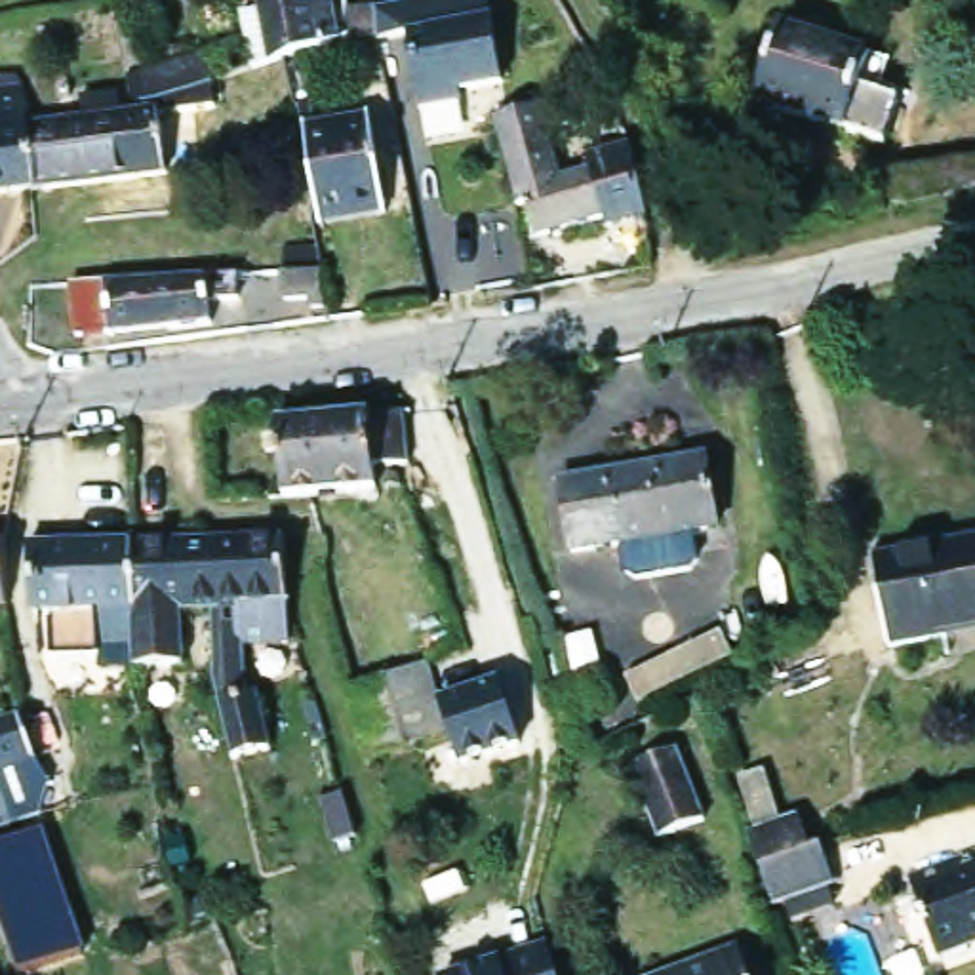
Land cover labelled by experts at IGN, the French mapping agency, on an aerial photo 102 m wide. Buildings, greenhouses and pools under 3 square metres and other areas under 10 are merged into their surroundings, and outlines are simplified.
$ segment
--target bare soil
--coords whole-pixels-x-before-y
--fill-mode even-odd
[[[0,720],[8,716],[8,705],[27,701],[30,693],[30,670],[11,598],[0,598]]]

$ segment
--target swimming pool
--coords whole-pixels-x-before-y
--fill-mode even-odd
[[[884,960],[872,956],[872,945],[857,933],[842,937],[842,964],[842,975],[887,975]]]

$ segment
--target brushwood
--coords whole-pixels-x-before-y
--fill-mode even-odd
[[[876,38],[891,34],[895,8],[887,0],[846,0],[842,15],[849,23]]]
[[[499,366],[453,369],[446,377],[446,419],[461,427],[461,438],[468,446],[468,468],[480,495],[480,510],[526,644],[522,659],[533,678],[533,708],[541,705],[541,697],[560,682],[556,674],[571,667],[567,640],[548,625],[541,594],[526,567],[499,488],[503,461],[533,457],[541,434],[552,434],[560,442],[564,430],[571,434],[590,415],[594,392],[617,373],[617,354],[598,358],[594,347],[583,347],[556,350],[548,366],[503,358]]]
[[[560,259],[537,248],[514,274],[514,286],[556,282]]]
[[[689,918],[693,910],[727,891],[727,876],[720,872],[716,857],[708,853],[697,830],[655,834],[644,819],[636,819],[625,815],[598,838],[590,853],[590,872],[609,876],[617,884],[617,895],[636,884],[647,891],[667,891],[670,910],[678,918]]]
[[[366,884],[377,895],[377,914],[385,914],[396,906],[388,884],[388,853],[373,849],[366,865]]]
[[[320,293],[328,312],[339,312],[347,282],[339,255],[328,251],[312,267],[320,274]]]
[[[834,807],[823,819],[842,842],[906,830],[933,815],[975,807],[975,785],[948,792],[918,792],[887,804],[857,800],[849,807]]]
[[[758,937],[769,945],[777,975],[842,975],[842,964],[823,964],[807,948],[792,952],[785,925],[769,914]]]
[[[465,868],[472,868],[476,876],[518,872],[522,853],[518,830],[510,823],[484,823],[461,792],[438,785],[411,811],[396,811],[392,826],[396,834],[411,834],[423,857],[442,872],[461,876]]]
[[[259,430],[270,427],[274,415],[259,400],[206,400],[194,411],[202,484],[217,499],[259,495],[255,484],[217,480],[213,446],[217,430]]]
[[[556,945],[567,948],[575,975],[613,975],[602,952],[602,933],[590,925],[598,903],[583,891],[579,872],[564,872],[564,887],[556,895],[556,914],[548,918],[548,929]]]
[[[156,712],[149,727],[126,727],[122,739],[133,746],[160,743],[156,792],[168,800],[183,800],[187,788],[179,785],[175,769],[175,743],[164,724],[164,712]]]
[[[392,933],[388,925],[381,925],[381,945],[396,975],[430,975],[438,941],[430,933]]]
[[[891,194],[945,194],[952,202],[960,190],[975,190],[975,156],[891,164],[891,187],[880,190],[872,183],[872,171],[865,171],[861,164],[842,164],[830,171],[815,202],[815,213],[796,221],[800,240],[792,248],[800,248],[800,255],[815,255],[826,248],[846,248],[880,236],[876,229],[887,221],[884,202]]]
[[[175,865],[160,868],[152,880],[141,880],[141,887],[168,884],[168,895],[149,914],[122,918],[122,925],[114,929],[118,952],[141,952],[152,941],[198,933],[213,922],[221,929],[236,929],[236,922],[251,918],[263,906],[263,880],[251,872],[251,865],[206,865],[198,872],[175,872]]]
[[[404,468],[385,465],[385,457],[369,453],[373,480],[396,480],[396,491],[408,491],[404,499],[411,503],[411,522],[423,537],[423,567],[427,579],[438,587],[434,617],[442,628],[442,636],[423,651],[396,651],[362,663],[347,628],[339,571],[335,564],[324,564],[331,625],[339,636],[347,674],[385,678],[388,670],[419,659],[430,663],[446,663],[453,651],[472,644],[468,606],[476,606],[476,594],[465,564],[449,560],[446,552],[442,552],[442,529],[434,526],[430,510],[423,507],[419,488],[408,480]]]
[[[865,716],[876,724],[922,727],[925,712],[903,708],[891,701],[891,693],[880,689],[868,697],[865,708]]]
[[[556,750],[552,758],[556,804],[567,804],[579,792],[583,762],[571,762]]]
[[[400,320],[411,308],[427,308],[423,297],[373,301],[362,312],[369,324]]]
[[[126,415],[114,419],[114,427],[88,430],[76,446],[122,446],[126,476],[145,468],[145,423],[141,415]]]
[[[80,34],[72,19],[88,8],[91,0],[0,0],[0,34],[19,23],[46,23],[46,30],[27,46],[19,65],[23,72],[30,72],[30,80],[61,80],[61,69],[80,50]]]
[[[225,80],[229,69],[248,61],[248,38],[240,30],[194,34],[183,27],[183,19],[164,19],[160,57],[202,57],[209,76]]]
[[[857,590],[849,583],[849,556],[846,522],[838,510],[830,510],[826,499],[815,495],[815,465],[807,453],[807,430],[796,404],[796,388],[788,381],[781,331],[781,324],[769,316],[674,328],[678,339],[644,343],[644,381],[659,385],[670,366],[682,373],[693,369],[697,381],[716,388],[724,381],[735,381],[758,396],[754,415],[766,453],[762,480],[769,484],[773,503],[769,556],[785,571],[785,594],[796,602],[800,617],[819,617],[826,628],[842,613],[842,602]]]

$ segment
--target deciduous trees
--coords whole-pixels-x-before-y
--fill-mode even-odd
[[[255,229],[270,213],[282,213],[301,202],[301,145],[286,149],[274,137],[255,137],[213,164],[190,164],[187,156],[168,175],[168,202],[194,229],[209,232],[225,225]]]
[[[613,697],[606,670],[598,663],[571,667],[556,674],[560,682],[541,697],[541,705],[548,708],[556,750],[571,762],[583,762],[602,762],[598,739],[590,735],[590,720],[613,708]]]
[[[362,61],[347,50],[335,50],[331,42],[293,53],[289,61],[297,65],[305,91],[316,107],[343,107],[362,99],[369,84],[362,76]]]
[[[925,712],[922,727],[922,735],[933,743],[975,739],[975,724],[967,724],[956,712],[945,712],[937,701]]]
[[[952,434],[967,438],[975,453],[975,225],[952,221],[945,213],[941,229],[937,244],[922,255],[906,255],[891,282],[834,286],[819,293],[804,312],[804,328],[807,358],[819,381],[830,388],[834,404],[880,396],[887,404],[918,411],[929,423],[945,423]]]
[[[906,11],[914,15],[922,42],[903,46],[906,88],[929,95],[945,110],[975,99],[975,0],[910,0]]]
[[[701,57],[712,38],[708,19],[686,15],[678,4],[663,0],[606,0],[609,19],[602,23],[602,30],[594,38],[571,42],[560,65],[545,80],[533,80],[537,103],[541,129],[571,156],[587,152],[587,145],[602,133],[625,133],[632,122],[640,126],[647,164],[647,175],[640,179],[644,213],[651,206],[663,206],[674,229],[674,244],[701,263],[735,267],[792,248],[800,240],[796,221],[815,213],[815,202],[830,171],[842,164],[834,145],[838,129],[830,126],[826,110],[807,114],[804,99],[758,84],[758,42],[762,34],[769,34],[769,15],[762,27],[750,27],[735,38],[735,53],[727,57],[724,72],[712,72],[705,80]]]
[[[746,590],[735,636],[735,647],[724,659],[697,667],[686,678],[640,701],[644,720],[651,720],[659,735],[689,731],[697,750],[716,754],[720,777],[739,777],[739,769],[746,769],[750,743],[739,708],[769,689],[773,670],[785,659],[796,659],[800,651],[823,640],[826,628],[819,617],[800,617],[796,602],[785,594],[785,602],[766,602],[762,587]]]
[[[164,19],[164,11],[152,0],[91,0],[88,8],[118,19],[118,30],[133,50],[133,65],[152,65],[160,57]]]

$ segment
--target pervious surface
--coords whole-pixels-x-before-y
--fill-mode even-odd
[[[27,960],[15,952],[15,945],[0,948],[0,975],[53,975],[84,964],[80,948]]]
[[[945,110],[929,95],[906,88],[891,88],[884,141],[933,145],[952,137],[975,137],[975,99]]]
[[[129,72],[133,65],[133,50],[118,30],[118,19],[88,8],[72,19],[80,34],[103,50],[103,61],[114,76]]]
[[[438,941],[430,975],[442,975],[453,952],[484,937],[526,937],[522,914],[495,903],[468,922],[453,922]]]
[[[807,358],[804,328],[781,331],[788,381],[796,388],[796,404],[807,430],[807,453],[815,465],[815,495],[826,499],[834,480],[846,472],[834,404],[830,388],[819,381]]]
[[[887,613],[876,583],[880,541],[868,537],[865,556],[849,556],[849,583],[857,590],[842,602],[842,613],[826,628],[823,640],[834,655],[865,651],[868,674],[880,678],[880,670],[887,670],[895,682],[937,678],[952,670],[967,651],[975,651],[975,625],[948,625],[945,632],[929,632],[918,640],[895,640],[887,632]]]
[[[556,750],[548,708],[541,705],[533,708],[526,731],[514,739],[495,739],[468,750],[449,746],[427,754],[434,762],[438,785],[461,792],[488,785],[495,762],[522,754],[552,758]]]
[[[213,103],[183,103],[175,149],[152,149],[149,168],[65,179],[57,183],[57,190],[91,187],[99,194],[99,206],[84,225],[164,217],[168,202],[168,175],[187,156],[187,145],[221,129],[221,122],[213,118]]]
[[[171,480],[183,491],[194,491],[202,484],[194,411],[187,404],[171,404],[152,411],[145,423],[145,468],[126,476],[126,507],[129,514],[145,514],[149,522],[179,510],[179,503],[168,495]]]
[[[880,884],[884,872],[914,872],[975,846],[975,807],[933,815],[906,830],[842,842],[842,872],[838,899],[857,906]]]

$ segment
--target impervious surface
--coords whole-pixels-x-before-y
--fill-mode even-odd
[[[0,194],[0,251],[23,251],[23,194]]]
[[[316,480],[278,488],[282,499],[373,499],[373,480]]]
[[[887,975],[975,975],[975,937],[952,948],[941,948],[933,941],[925,903],[914,895],[914,872],[884,872],[880,884],[857,906],[838,899],[830,906],[796,914],[788,914],[785,903],[769,903],[769,914],[785,925],[792,952],[807,948],[823,964],[842,964],[842,937],[857,933],[872,945],[872,956],[884,960]]]
[[[270,655],[255,659],[259,674],[274,678],[297,674],[293,636],[286,636]]]
[[[110,289],[99,278],[72,278],[72,289],[61,293],[69,328],[76,335],[69,350],[15,343],[11,335],[0,339],[0,510],[19,514],[27,533],[38,533],[42,522],[84,518],[91,507],[126,507],[126,476],[122,446],[76,446],[88,430],[114,427],[114,419],[126,415],[141,415],[145,423],[152,411],[171,404],[187,404],[194,411],[206,400],[259,400],[274,415],[282,408],[301,404],[362,400],[369,453],[385,457],[385,465],[404,468],[408,480],[419,488],[423,507],[430,510],[430,507],[449,507],[449,514],[453,514],[453,529],[457,529],[457,537],[461,537],[461,552],[465,552],[465,564],[476,594],[476,606],[468,606],[472,644],[453,651],[446,663],[430,663],[430,686],[438,701],[449,689],[453,667],[488,663],[503,655],[522,659],[526,644],[480,510],[480,495],[468,468],[468,446],[461,438],[461,427],[446,419],[446,377],[453,369],[499,366],[503,358],[548,366],[556,350],[583,347],[594,347],[598,358],[617,354],[617,373],[594,392],[590,415],[571,434],[564,430],[560,442],[552,434],[541,434],[533,457],[541,461],[545,495],[556,488],[564,465],[606,465],[628,457],[632,449],[670,446],[705,449],[708,457],[716,514],[701,526],[705,548],[697,548],[697,567],[689,575],[632,583],[632,567],[621,560],[621,548],[567,556],[567,545],[556,556],[541,560],[552,583],[552,590],[541,594],[548,625],[567,640],[571,667],[598,663],[606,670],[613,697],[628,693],[625,670],[659,659],[651,644],[667,640],[682,625],[720,617],[735,636],[746,590],[731,583],[731,575],[739,571],[735,514],[727,510],[735,495],[735,449],[724,434],[716,434],[712,415],[693,400],[682,373],[670,366],[659,385],[644,381],[644,343],[678,339],[674,328],[769,316],[781,324],[781,331],[804,328],[804,312],[819,293],[834,286],[891,282],[906,255],[922,255],[937,244],[941,229],[929,225],[880,236],[846,248],[826,248],[815,255],[800,255],[800,248],[792,248],[735,267],[701,263],[674,244],[674,229],[663,206],[651,206],[644,213],[644,221],[621,217],[587,221],[571,229],[548,225],[529,236],[526,213],[514,202],[507,209],[449,213],[442,206],[438,171],[430,160],[430,149],[442,141],[488,141],[499,133],[495,126],[488,126],[488,110],[503,95],[499,76],[457,80],[442,99],[423,99],[419,91],[411,91],[411,80],[404,72],[404,61],[415,46],[408,38],[381,42],[385,65],[369,84],[362,99],[373,110],[381,190],[385,198],[392,198],[400,168],[408,179],[408,209],[415,255],[423,267],[423,297],[427,308],[411,308],[400,320],[369,324],[362,312],[339,312],[328,312],[320,293],[293,289],[282,270],[248,270],[236,270],[236,293],[221,293],[221,308],[213,316],[141,324],[110,324]],[[560,259],[556,282],[514,286],[514,274],[537,248]],[[388,411],[404,408],[408,400],[415,400],[415,449],[392,457],[385,449],[385,423]]]
[[[57,689],[122,693],[122,667],[99,663],[88,606],[34,606],[30,587],[19,583],[11,598],[30,670],[30,693],[42,701],[42,739],[53,754],[53,804],[72,796],[76,766],[65,701],[57,697]]]

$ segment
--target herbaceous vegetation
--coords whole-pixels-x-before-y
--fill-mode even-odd
[[[103,61],[103,50],[80,34],[80,50],[61,69],[61,80],[30,80],[42,103],[76,103],[91,80],[114,76]]]
[[[164,217],[84,225],[99,206],[99,194],[91,187],[57,190],[23,194],[23,251],[0,251],[0,339],[11,335],[15,343],[69,350],[76,335],[69,328],[61,293],[72,289],[72,278],[99,278],[107,263],[187,255],[248,255],[248,270],[282,270],[286,244],[301,240],[312,225],[308,206],[301,202],[282,213],[270,213],[255,229],[225,225],[209,232],[194,229],[168,202]]]
[[[240,30],[240,0],[152,0],[164,11],[164,19],[183,19],[183,27],[194,34]]]
[[[556,488],[545,495],[541,461],[533,457],[503,461],[499,488],[526,567],[541,594],[552,590],[552,583],[541,560],[556,556],[567,545],[564,510],[571,503],[560,499]]]
[[[331,42],[335,50],[347,50],[362,61],[362,76],[369,84],[385,65],[381,42],[358,30],[350,38]]]
[[[19,23],[0,34],[0,76],[8,65],[19,65],[27,46],[46,30],[46,23]]]
[[[887,53],[884,84],[891,88],[906,88],[903,46],[922,42],[914,15],[906,11],[910,0],[887,0],[895,8],[891,34],[876,38],[876,53]]]
[[[396,651],[423,651],[442,636],[442,628],[434,617],[438,587],[427,579],[423,567],[423,537],[411,522],[411,503],[404,499],[408,491],[396,491],[396,480],[373,480],[373,499],[282,499],[278,488],[274,457],[263,453],[259,430],[217,430],[213,446],[217,480],[255,484],[259,495],[217,499],[202,484],[194,491],[183,491],[171,480],[168,495],[179,503],[179,510],[251,518],[270,514],[278,503],[289,503],[289,510],[308,522],[301,560],[305,632],[293,636],[297,674],[274,678],[282,708],[278,735],[270,743],[232,743],[225,739],[221,705],[213,701],[209,678],[202,674],[202,663],[194,663],[190,647],[179,655],[149,651],[122,667],[122,693],[57,689],[57,697],[65,701],[76,766],[72,796],[53,804],[53,815],[42,819],[80,933],[88,937],[88,945],[80,948],[84,964],[53,975],[396,975],[381,945],[381,925],[388,925],[392,933],[430,933],[438,941],[453,922],[468,922],[495,903],[522,914],[526,937],[533,929],[548,929],[548,918],[556,914],[556,895],[564,887],[564,872],[579,872],[583,891],[598,903],[590,925],[602,933],[602,952],[613,975],[636,975],[636,956],[678,952],[724,933],[739,941],[750,975],[777,975],[769,945],[758,937],[769,914],[769,903],[758,865],[743,857],[743,849],[750,849],[750,819],[739,777],[720,777],[716,754],[697,750],[697,762],[712,788],[712,807],[705,811],[705,823],[697,830],[708,853],[716,857],[720,872],[727,876],[727,891],[693,910],[689,918],[678,918],[670,910],[667,891],[647,891],[636,884],[617,895],[617,884],[609,876],[590,872],[590,853],[598,838],[625,815],[636,819],[636,792],[625,792],[625,781],[602,769],[602,762],[583,762],[579,792],[567,804],[556,804],[552,758],[522,754],[495,762],[488,785],[461,792],[484,823],[510,823],[518,830],[522,853],[518,872],[476,876],[472,868],[465,868],[461,876],[457,895],[430,903],[423,880],[442,872],[423,857],[411,834],[396,834],[392,826],[396,811],[411,811],[438,785],[434,762],[427,754],[449,746],[446,731],[385,743],[385,678],[347,674],[339,636],[331,625],[324,564],[335,564],[339,571],[347,628],[362,663]],[[308,731],[305,701],[320,708],[324,739]],[[149,727],[156,712],[164,712],[164,724],[175,743],[175,769],[179,785],[187,788],[183,800],[168,800],[156,792],[160,743],[133,746],[122,739],[126,727]],[[324,788],[343,792],[350,834],[331,838],[320,807]],[[114,929],[122,925],[122,918],[149,914],[168,895],[168,884],[141,887],[141,880],[152,880],[160,868],[164,819],[194,826],[194,842],[206,865],[251,865],[251,872],[263,880],[263,906],[251,918],[236,922],[236,929],[221,929],[213,922],[198,933],[152,941],[141,952],[118,952]],[[388,884],[396,906],[385,914],[377,914],[377,895],[366,884],[366,865],[373,849],[388,853]]]
[[[834,145],[842,164],[861,164],[865,171],[872,171],[872,183],[880,190],[891,187],[891,164],[975,156],[975,137],[952,137],[933,145],[884,141],[838,129]]]
[[[708,19],[712,38],[701,57],[705,80],[712,72],[724,72],[727,57],[735,53],[735,38],[750,27],[762,27],[769,15],[773,8],[788,4],[800,19],[830,30],[842,30],[849,23],[842,15],[846,0],[663,0],[678,4],[686,15]]]
[[[465,564],[465,552],[461,552],[461,537],[457,537],[457,529],[453,529],[453,514],[449,514],[449,507],[430,507],[430,510],[434,526],[442,529],[442,552],[446,552],[449,560]]]
[[[362,312],[373,301],[423,297],[423,267],[415,255],[408,209],[385,213],[377,221],[320,225],[328,251],[339,255],[347,282],[339,312]]]
[[[830,510],[838,510],[846,522],[849,556],[865,556],[868,537],[880,541],[887,533],[906,529],[922,514],[975,518],[975,453],[967,438],[952,434],[945,423],[929,423],[918,411],[887,404],[880,396],[834,404],[846,472],[834,480],[826,499]]]
[[[891,693],[891,701],[903,708],[925,712],[937,701],[945,712],[956,712],[967,724],[975,724],[975,651],[967,651],[952,670],[937,678],[895,682],[887,670],[880,670],[880,678],[868,674],[865,651],[834,655],[823,640],[800,651],[796,659],[785,659],[773,670],[769,689],[739,708],[750,743],[746,769],[766,773],[773,804],[781,811],[796,811],[804,834],[819,838],[826,872],[842,872],[842,842],[823,819],[834,807],[849,807],[857,800],[887,804],[918,792],[948,792],[975,785],[975,739],[933,743],[922,735],[922,727],[876,724],[865,716],[865,708],[868,697],[880,689]]]
[[[514,107],[537,103],[533,80],[545,80],[560,65],[571,42],[594,38],[602,30],[602,23],[609,19],[606,0],[488,0],[499,76],[503,95]]]
[[[693,400],[712,415],[716,434],[724,434],[735,449],[735,495],[727,510],[735,514],[739,571],[731,575],[731,583],[746,590],[762,587],[766,602],[785,602],[785,594],[785,571],[769,556],[773,503],[769,484],[762,480],[766,453],[754,415],[758,396],[735,381],[724,381],[716,388],[697,381],[693,369],[682,373]]]
[[[430,149],[430,160],[438,171],[442,206],[449,213],[507,209],[514,202],[510,171],[499,152],[499,133],[488,141],[442,141]]]
[[[316,107],[305,91],[297,65],[289,61],[255,72],[248,61],[229,69],[225,80],[225,91],[213,103],[213,118],[221,122],[221,129],[187,145],[187,156],[190,164],[213,164],[255,137],[274,137],[286,149],[301,145],[297,114],[308,114]]]
[[[975,225],[975,190],[960,190],[952,202],[945,194],[891,194],[884,202],[887,221],[876,229],[880,236],[929,225],[941,229],[945,213],[952,221]]]

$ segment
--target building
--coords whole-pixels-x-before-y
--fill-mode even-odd
[[[206,865],[194,842],[194,826],[164,819],[160,868],[175,865],[175,872],[198,872]]]
[[[316,480],[373,480],[369,453],[362,400],[301,404],[282,408],[274,415],[270,427],[259,430],[263,453],[274,457],[278,488]]]
[[[796,914],[830,906],[838,899],[842,872],[826,872],[819,838],[804,834],[796,811],[781,811],[773,804],[766,773],[746,769],[739,769],[739,777],[750,819],[750,849],[743,849],[743,857],[758,865],[769,903],[785,903],[788,914]]]
[[[324,739],[320,708],[305,701],[308,731]]]
[[[107,263],[99,278],[110,289],[110,324],[141,324],[213,316],[221,308],[221,293],[236,293],[236,270],[248,270],[248,255],[187,255]]]
[[[34,606],[88,606],[99,663],[122,667],[149,651],[179,655],[190,647],[194,663],[202,663],[202,674],[209,678],[213,701],[221,705],[225,739],[232,743],[270,743],[278,735],[282,708],[274,678],[259,674],[255,659],[270,655],[286,636],[293,636],[305,632],[301,560],[308,522],[289,510],[289,503],[278,503],[270,514],[251,518],[179,510],[149,522],[145,514],[129,514],[126,507],[91,507],[84,518],[42,522],[38,533],[27,533],[19,514],[0,510],[0,598],[11,598],[19,583],[30,587]]]
[[[461,876],[442,872],[423,880],[430,903],[457,895]]]
[[[689,575],[697,567],[697,548],[705,548],[701,526],[716,514],[708,457],[705,449],[670,446],[632,449],[628,457],[606,465],[564,465],[556,488],[560,499],[571,503],[564,510],[567,545],[567,556],[621,548],[621,560],[632,567],[632,583]]]
[[[415,400],[408,400],[404,408],[388,411],[385,423],[385,449],[392,457],[415,449]]]
[[[906,529],[887,533],[880,541],[876,583],[887,613],[887,632],[895,640],[918,640],[929,632],[945,632],[948,625],[975,625],[975,518],[922,514]]]
[[[556,945],[548,929],[533,929],[526,937],[484,937],[453,952],[442,975],[575,975],[567,948]]]
[[[724,933],[678,952],[636,956],[636,975],[750,975],[739,941]]]
[[[88,945],[88,937],[80,933],[42,819],[53,815],[53,804],[53,754],[42,739],[42,701],[30,693],[27,701],[8,705],[8,716],[0,720],[0,948],[15,945],[15,952],[27,960],[80,948]]]
[[[57,183],[65,179],[149,168],[152,149],[175,149],[183,103],[213,103],[225,91],[225,80],[209,76],[202,57],[160,57],[152,65],[133,65],[129,72],[114,76],[91,80],[76,103],[42,103],[30,80],[30,72],[23,72],[19,65],[8,65],[0,76],[0,194],[23,194],[57,190]]]
[[[430,663],[419,659],[388,670],[385,678],[385,743],[446,731],[449,746],[468,750],[495,739],[514,739],[526,731],[533,708],[533,678],[522,659],[503,655],[488,663],[453,667],[449,689],[438,701],[430,686]]]
[[[400,168],[392,198],[385,198],[381,190],[373,110],[362,99],[343,107],[316,107],[308,114],[297,114],[301,145],[301,202],[308,206],[312,225],[301,240],[286,244],[282,270],[293,289],[320,293],[320,274],[312,267],[328,251],[320,225],[377,221],[385,213],[408,209],[408,179]]]
[[[324,788],[320,807],[331,838],[350,834],[343,792]]]
[[[697,762],[697,750],[689,731],[659,735],[651,720],[644,720],[640,701],[686,678],[697,667],[724,659],[735,647],[735,636],[720,617],[682,625],[667,640],[651,644],[659,659],[625,670],[628,693],[613,697],[613,708],[590,720],[590,735],[598,739],[602,762],[602,769],[625,781],[625,792],[636,792],[636,819],[644,819],[655,834],[697,830],[705,823],[705,811],[712,807],[712,788]]]
[[[884,84],[887,53],[876,53],[876,38],[849,23],[842,30],[830,30],[800,19],[788,4],[773,8],[769,15],[769,34],[762,34],[758,42],[758,84],[804,99],[807,114],[826,110],[830,126],[838,129],[884,141],[891,88]]]
[[[537,103],[514,107],[503,95],[488,110],[488,126],[495,126],[499,133],[499,152],[510,171],[514,202],[526,213],[529,236],[548,225],[571,229],[587,221],[621,217],[644,221],[644,213],[640,179],[647,175],[647,164],[640,126],[632,122],[625,133],[602,133],[587,145],[587,152],[571,156],[541,129]]]
[[[248,61],[255,72],[289,61],[293,53],[331,42],[350,38],[358,30],[381,42],[408,38],[415,46],[404,61],[404,72],[411,80],[411,91],[419,91],[423,99],[442,99],[457,80],[499,76],[488,0],[240,0],[240,30],[248,38]]]
[[[941,948],[952,948],[975,937],[975,846],[914,872],[914,895],[925,903],[933,941]]]

